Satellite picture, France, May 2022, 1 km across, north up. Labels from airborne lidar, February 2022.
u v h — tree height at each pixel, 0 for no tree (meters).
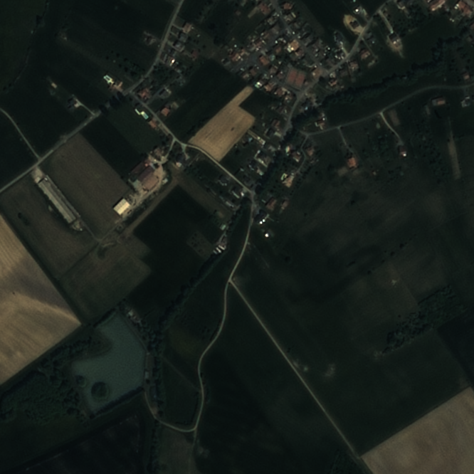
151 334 11
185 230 0
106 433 0
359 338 0
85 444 0
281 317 0
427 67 18
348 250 0
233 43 0
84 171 0
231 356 0
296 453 0
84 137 0
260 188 17
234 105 0
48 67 0
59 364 15
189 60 0
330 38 0
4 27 0
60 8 0
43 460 0
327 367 0
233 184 0
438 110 0
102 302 0
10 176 0
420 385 0
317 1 0
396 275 0
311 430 0
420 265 0
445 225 0
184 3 0
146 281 0
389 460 0
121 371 0
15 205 0
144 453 0
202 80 0
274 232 0
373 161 0
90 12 0
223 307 0
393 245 0
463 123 0
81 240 0
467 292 0
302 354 0
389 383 0
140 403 0
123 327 0
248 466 0
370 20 0
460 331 0
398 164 0
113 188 0
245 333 0
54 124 0
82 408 0
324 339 0
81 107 0
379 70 0
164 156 0
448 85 0
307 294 0
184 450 0
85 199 0
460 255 0
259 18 0
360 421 0
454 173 0
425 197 0
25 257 0
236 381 0
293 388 0
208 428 0
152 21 0
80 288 0
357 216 0
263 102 0
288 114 0
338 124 0
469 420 0
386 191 0
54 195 0
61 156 0
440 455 0
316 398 0
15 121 0
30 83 0
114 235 0
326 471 0
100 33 0
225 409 0
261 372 0
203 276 17
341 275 0
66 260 0
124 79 0
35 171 0
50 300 0
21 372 0
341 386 0
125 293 0
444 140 0
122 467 0
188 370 0
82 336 0
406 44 0
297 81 0
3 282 0
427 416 0
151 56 0
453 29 0
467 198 0
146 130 0
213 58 0
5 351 0
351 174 0
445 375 0
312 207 0
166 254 0
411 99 0
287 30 0
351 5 0
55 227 0
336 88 0
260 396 0
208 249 0
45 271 0
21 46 0
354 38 0
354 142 0
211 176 0
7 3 0
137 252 0
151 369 0
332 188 0
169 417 0
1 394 0
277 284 0
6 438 0
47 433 0
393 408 0
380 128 0
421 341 0
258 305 0
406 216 0
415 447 0
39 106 0
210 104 0
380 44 0
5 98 0
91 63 0
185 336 0
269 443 0
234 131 0
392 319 0
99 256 0
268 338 0
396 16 0
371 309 0
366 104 0
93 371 0
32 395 24
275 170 16
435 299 6
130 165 0
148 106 0
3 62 0
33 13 0
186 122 0
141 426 0
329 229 0
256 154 0
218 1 0
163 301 0
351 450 0
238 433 0
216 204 0
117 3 0
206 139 0
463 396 0
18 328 0
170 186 0
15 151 0
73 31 0
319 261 0
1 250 0
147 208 0
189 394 0
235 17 0
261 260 0
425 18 9
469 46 0
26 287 0
